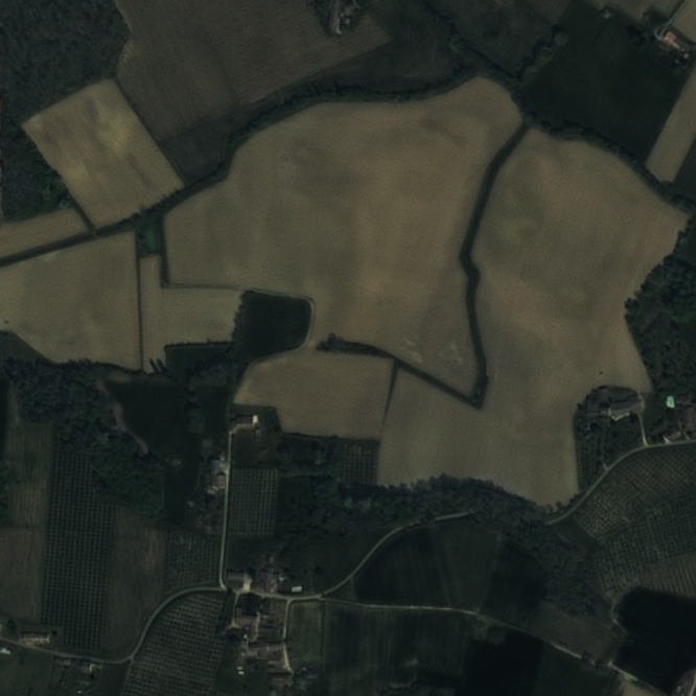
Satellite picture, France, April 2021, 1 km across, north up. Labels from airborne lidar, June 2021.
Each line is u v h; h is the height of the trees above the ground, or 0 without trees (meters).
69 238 0
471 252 0
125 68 0
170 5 0
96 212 0
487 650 0
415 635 0
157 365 0
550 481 0
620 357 0
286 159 0
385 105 0
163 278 0
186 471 0
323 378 0
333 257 0
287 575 8
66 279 0
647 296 12
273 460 0
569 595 16
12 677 0
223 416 0
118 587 0
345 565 0
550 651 0
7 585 0
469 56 18
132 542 0
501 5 0
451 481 0
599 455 8
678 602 0
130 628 0
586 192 0
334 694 0
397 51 0
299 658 0
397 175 0
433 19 17
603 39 0
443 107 0
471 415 0
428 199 0
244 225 0
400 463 0
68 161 0
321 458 17
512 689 0
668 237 0
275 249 0
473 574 0
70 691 0
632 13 0
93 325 0
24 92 17
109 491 18
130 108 0
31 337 0
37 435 0
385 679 0
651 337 11
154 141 0
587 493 0
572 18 0
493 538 0
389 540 0
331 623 0
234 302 0
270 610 0
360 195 0
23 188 23
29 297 0
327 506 17
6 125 19
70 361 0
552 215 0
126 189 0
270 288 0
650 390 0
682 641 0
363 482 6
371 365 0
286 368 0
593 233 0
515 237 0
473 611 0
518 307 0
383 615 0
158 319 0
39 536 0
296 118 0
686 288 25
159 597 0
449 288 0
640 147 0
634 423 14
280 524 8
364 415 0
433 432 0
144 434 0
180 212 0
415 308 0
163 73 0
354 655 0
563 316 0
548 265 0
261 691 0
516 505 13
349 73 0
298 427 0
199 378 16
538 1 0
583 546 0
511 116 0
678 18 0
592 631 0
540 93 0
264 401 0
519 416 0
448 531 0
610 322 0
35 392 10
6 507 18
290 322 0
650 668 0
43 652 0
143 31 0
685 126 0
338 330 0
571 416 0
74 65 21
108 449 19
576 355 0
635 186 0
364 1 0
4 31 12
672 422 7
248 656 0
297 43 0
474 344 0
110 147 0
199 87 0
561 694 0
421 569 0
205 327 0
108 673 0
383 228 0
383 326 0
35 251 0
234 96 0
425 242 0
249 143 0
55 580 5
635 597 0
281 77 0
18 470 0
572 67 0
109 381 0
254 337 0
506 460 0
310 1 0
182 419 0
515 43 0
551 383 0
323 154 0
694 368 9
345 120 0
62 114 0
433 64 0
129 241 0
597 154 0
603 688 0
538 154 0
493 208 0
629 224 0
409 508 21
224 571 0
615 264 0
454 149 0
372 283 0
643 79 0
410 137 0
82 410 20
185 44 0
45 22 16
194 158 0
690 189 0
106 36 15
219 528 9
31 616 0
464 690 0
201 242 0
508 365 0
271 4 0
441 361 0
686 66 14
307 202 0
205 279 0
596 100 0
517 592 0
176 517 0
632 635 0
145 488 20
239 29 0
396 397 0
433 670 0
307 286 0
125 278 0
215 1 0
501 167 0
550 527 15
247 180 0
